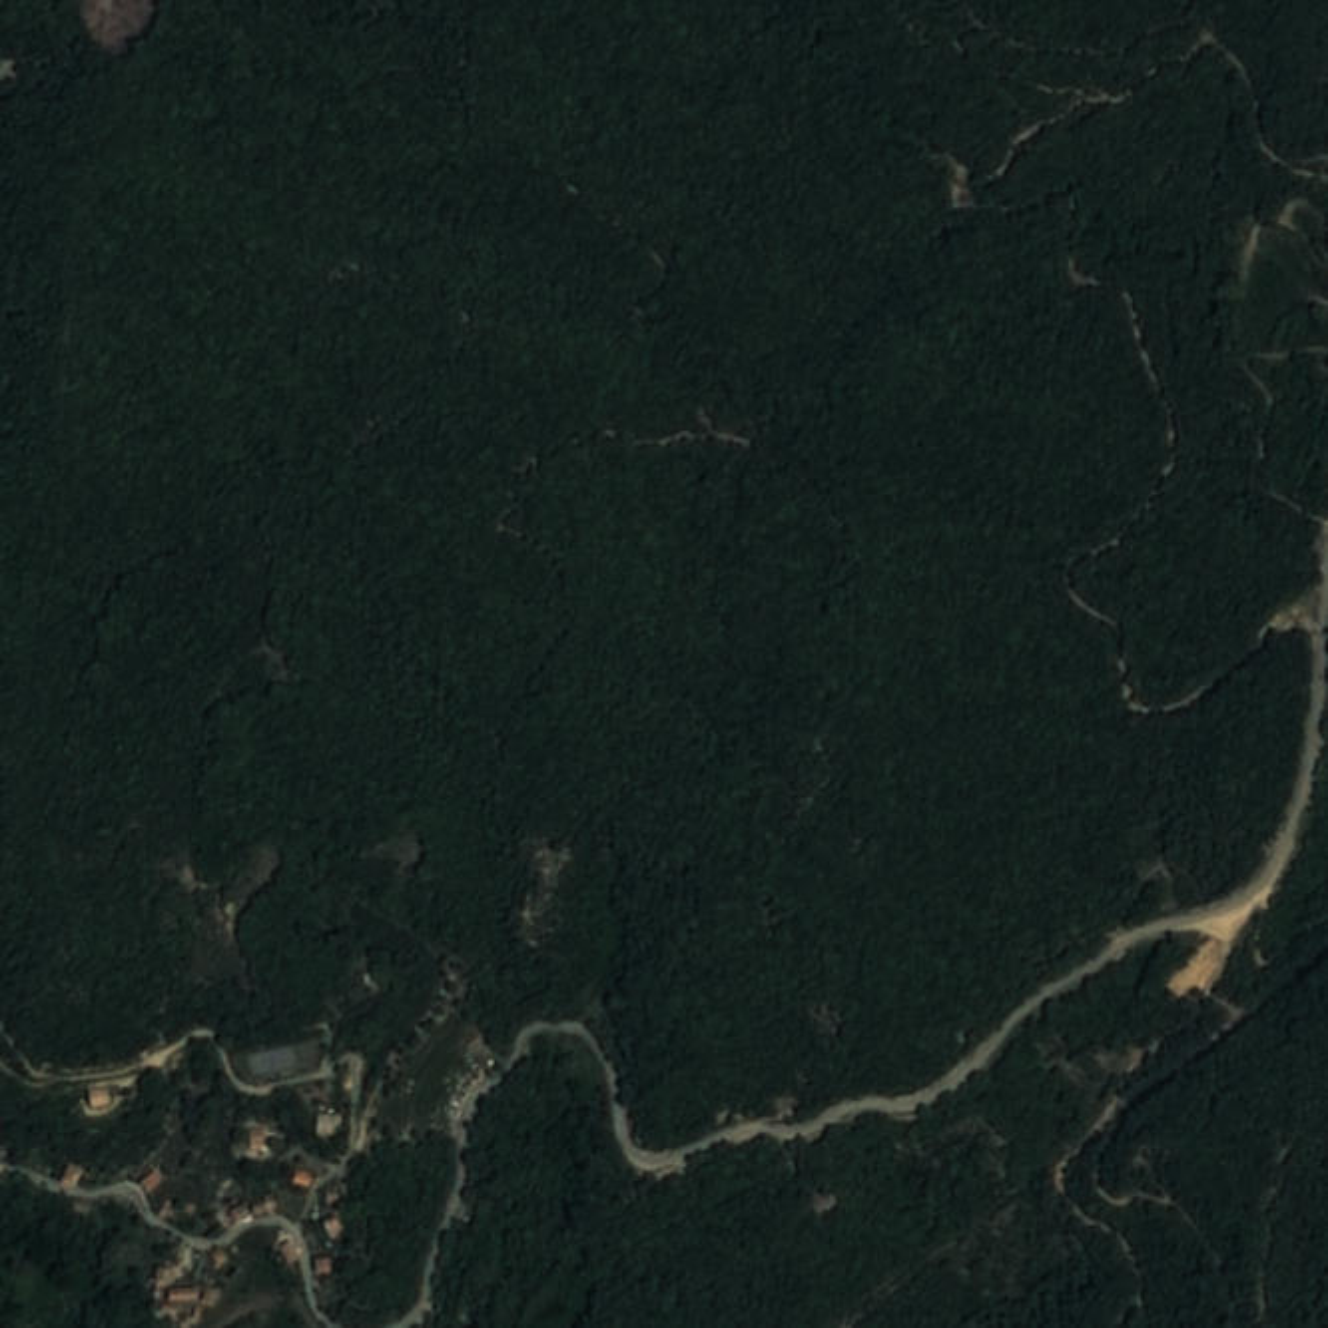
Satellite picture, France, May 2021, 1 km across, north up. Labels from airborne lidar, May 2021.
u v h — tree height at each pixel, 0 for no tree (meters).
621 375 14
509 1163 12
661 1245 12
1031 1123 17
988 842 10
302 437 11
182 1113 7
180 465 15
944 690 13
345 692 9
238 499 12
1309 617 0
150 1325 5
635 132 11
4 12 11
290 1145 9
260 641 8
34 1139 12
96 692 13
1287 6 12
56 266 7
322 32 16
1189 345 17
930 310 8
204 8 15
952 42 13
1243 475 12
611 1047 9
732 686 14
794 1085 6
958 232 11
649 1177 8
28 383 10
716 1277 14
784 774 9
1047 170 18
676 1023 8
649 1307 8
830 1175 15
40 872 8
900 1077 10
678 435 8
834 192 12
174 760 8
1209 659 14
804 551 14
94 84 12
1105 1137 13
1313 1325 11
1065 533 11
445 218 10
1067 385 10
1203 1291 14
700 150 13
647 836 8
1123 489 11
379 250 7
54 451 9
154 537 12
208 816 12
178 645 11
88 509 10
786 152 10
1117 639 14
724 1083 10
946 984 14
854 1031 13
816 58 21
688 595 14
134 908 6
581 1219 23
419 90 12
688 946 13
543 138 12
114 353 14
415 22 14
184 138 17
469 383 13
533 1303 13
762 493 14
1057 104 7
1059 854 13
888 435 12
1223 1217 11
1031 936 14
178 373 14
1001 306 14
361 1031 13
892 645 12
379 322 9
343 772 11
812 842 12
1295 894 11
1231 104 17
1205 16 14
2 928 11
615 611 10
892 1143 11
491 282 14
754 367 12
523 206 10
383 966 15
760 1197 11
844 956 12
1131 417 11
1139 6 11
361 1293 12
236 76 17
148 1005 11
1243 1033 13
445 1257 12
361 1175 6
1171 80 12
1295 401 10
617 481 14
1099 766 10
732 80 15
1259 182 7
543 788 8
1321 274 7
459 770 8
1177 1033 8
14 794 7
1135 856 8
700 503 12
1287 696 10
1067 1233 8
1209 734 16
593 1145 6
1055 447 7
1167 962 13
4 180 8
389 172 12
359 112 15
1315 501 11
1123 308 11
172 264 16
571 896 7
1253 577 10
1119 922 9
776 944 9
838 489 12
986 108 10
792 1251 12
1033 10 12
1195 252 9
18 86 10
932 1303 12
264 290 13
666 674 14
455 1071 0
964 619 15
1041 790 13
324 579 12
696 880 13
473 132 9
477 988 9
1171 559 14
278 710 14
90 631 9
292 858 13
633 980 13
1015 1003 10
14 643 10
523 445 10
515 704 12
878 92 15
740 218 12
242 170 19
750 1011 10
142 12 0
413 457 9
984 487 12
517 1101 13
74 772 8
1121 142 6
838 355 19
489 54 11
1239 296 12
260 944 13
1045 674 12
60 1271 17
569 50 11
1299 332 8
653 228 14
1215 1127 15
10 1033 9
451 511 12
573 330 13
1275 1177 11
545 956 11
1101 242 16
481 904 9
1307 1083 6
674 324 12
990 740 9
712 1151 8
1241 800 9
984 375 11
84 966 8
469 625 9
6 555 9
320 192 16
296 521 9
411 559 11
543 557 12
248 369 12
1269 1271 9
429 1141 11
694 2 14
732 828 12
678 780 12
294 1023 9
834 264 13
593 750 7
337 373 11
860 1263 11
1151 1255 6
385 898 12
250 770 15
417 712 11
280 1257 6
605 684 10
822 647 14
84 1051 10
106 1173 10
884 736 12
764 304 10
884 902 9
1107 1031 13
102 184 11
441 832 10
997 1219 7
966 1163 8
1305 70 8
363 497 10
